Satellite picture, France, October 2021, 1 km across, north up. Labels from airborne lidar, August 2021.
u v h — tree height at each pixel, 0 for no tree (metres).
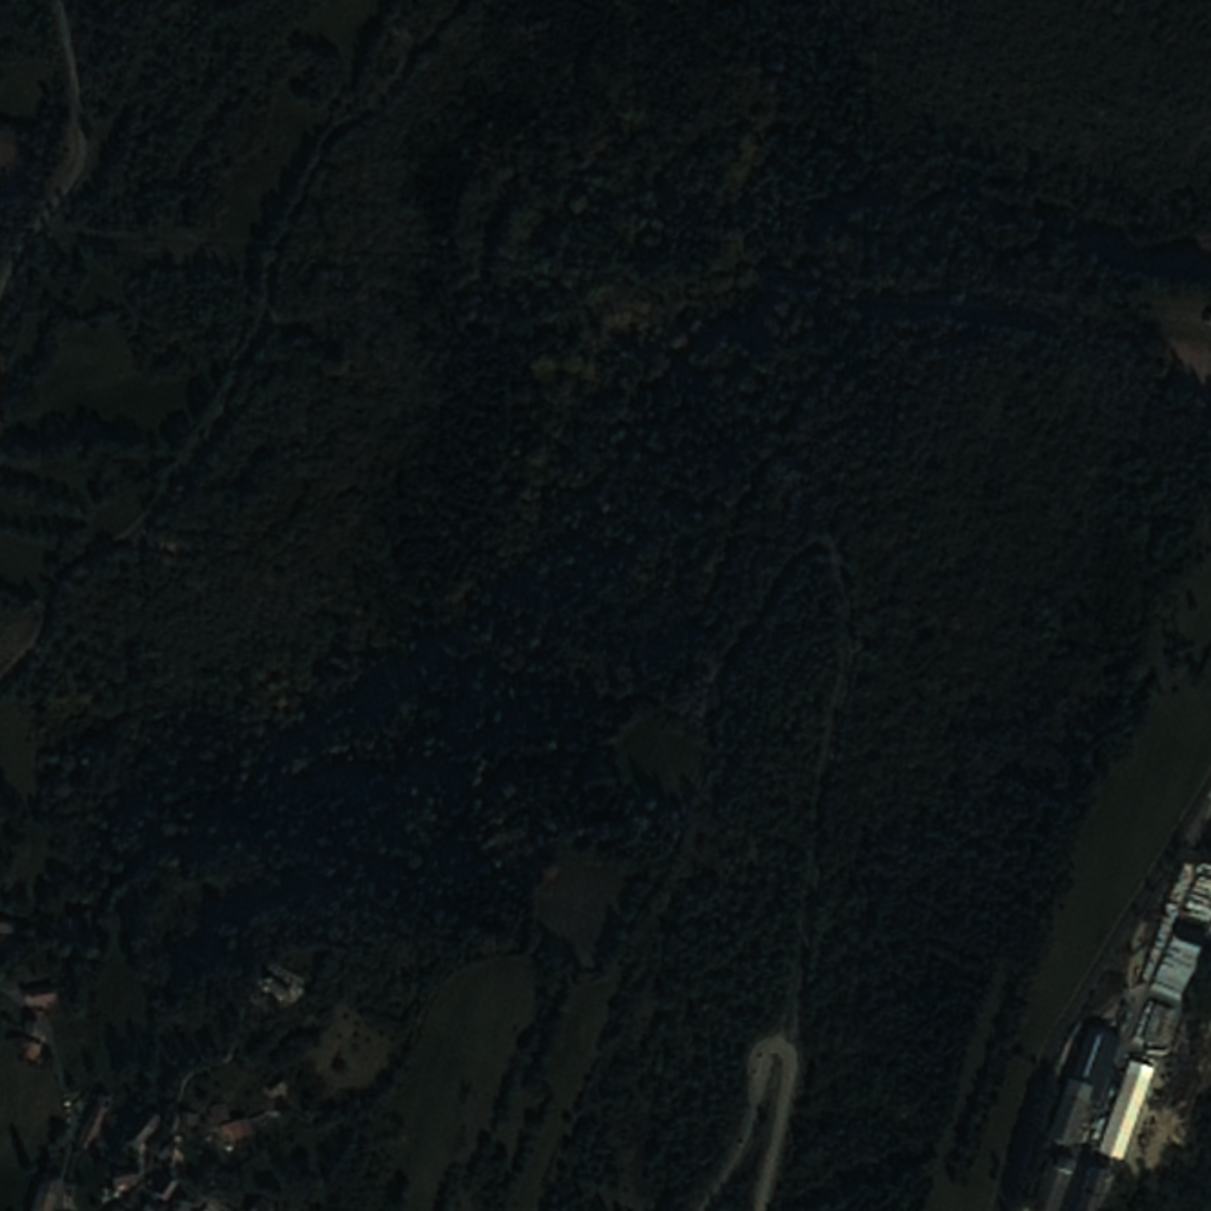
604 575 24
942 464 12
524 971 0
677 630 19
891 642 15
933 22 7
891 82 22
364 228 19
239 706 22
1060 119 6
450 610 26
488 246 11
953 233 23
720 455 18
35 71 0
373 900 16
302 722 26
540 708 29
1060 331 12
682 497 16
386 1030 14
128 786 34
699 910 19
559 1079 0
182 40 16
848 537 16
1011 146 19
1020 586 11
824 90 18
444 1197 11
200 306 13
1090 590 11
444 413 21
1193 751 0
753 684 13
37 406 15
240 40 15
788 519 13
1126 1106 0
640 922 15
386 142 14
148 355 19
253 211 0
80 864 21
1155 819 0
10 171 0
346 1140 7
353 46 0
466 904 22
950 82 11
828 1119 11
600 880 0
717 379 28
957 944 25
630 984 10
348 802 15
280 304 15
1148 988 0
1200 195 18
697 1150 13
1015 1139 0
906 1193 23
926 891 25
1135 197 14
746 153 28
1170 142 8
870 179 16
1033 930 24
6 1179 0
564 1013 12
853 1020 15
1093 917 0
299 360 19
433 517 25
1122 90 9
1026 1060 13
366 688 27
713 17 26
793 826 17
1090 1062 0
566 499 23
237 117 15
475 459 25
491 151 19
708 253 30
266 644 23
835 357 17
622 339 15
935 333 14
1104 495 11
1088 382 7
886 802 8
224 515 15
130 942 19
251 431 13
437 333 20
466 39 12
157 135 16
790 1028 0
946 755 13
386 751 23
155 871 23
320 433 14
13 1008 0
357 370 19
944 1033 21
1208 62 9
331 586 23
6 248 13
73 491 0
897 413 13
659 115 18
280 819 21
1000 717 15
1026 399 14
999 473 11
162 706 25
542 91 17
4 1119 0
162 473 16
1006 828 27
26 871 0
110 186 13
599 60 23
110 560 18
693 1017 12
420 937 18
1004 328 11
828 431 14
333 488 19
